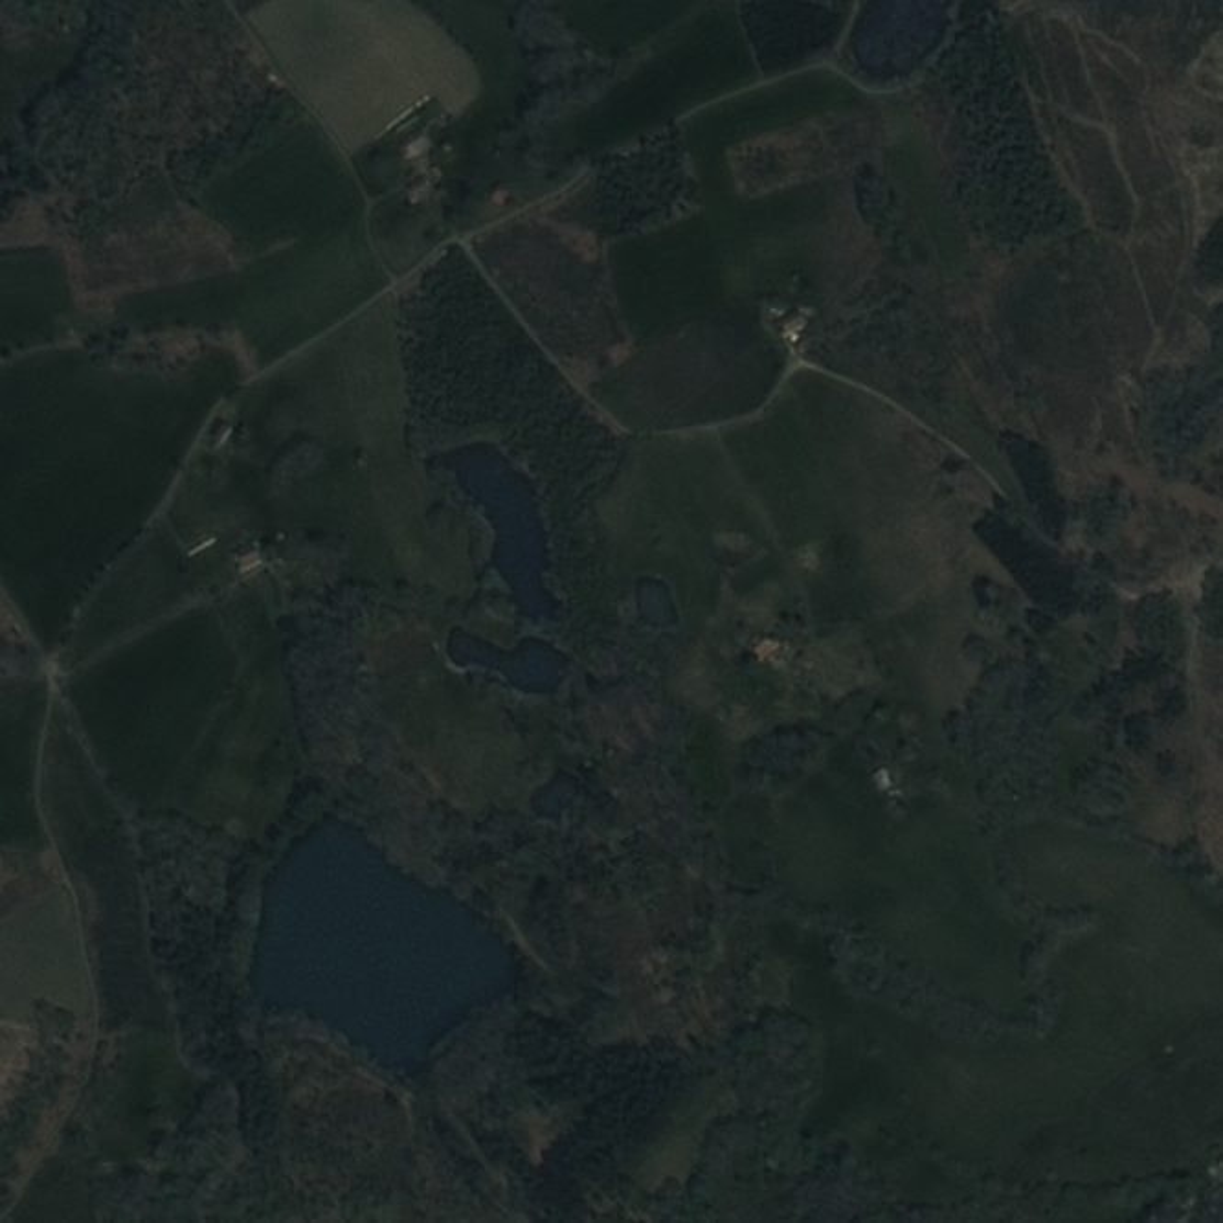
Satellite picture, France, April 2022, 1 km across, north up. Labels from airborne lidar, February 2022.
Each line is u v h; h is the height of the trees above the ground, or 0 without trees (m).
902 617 0
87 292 0
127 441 0
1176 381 18
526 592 0
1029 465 18
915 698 0
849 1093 0
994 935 0
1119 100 0
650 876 8
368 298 0
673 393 0
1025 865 0
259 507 0
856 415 0
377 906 0
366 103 0
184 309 0
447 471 20
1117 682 19
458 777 0
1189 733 0
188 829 20
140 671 0
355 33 0
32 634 0
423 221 0
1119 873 0
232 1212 13
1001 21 12
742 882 19
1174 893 0
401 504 0
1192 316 0
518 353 9
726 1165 19
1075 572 12
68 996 0
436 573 0
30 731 0
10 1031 0
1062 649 0
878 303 0
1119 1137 0
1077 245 0
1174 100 0
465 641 0
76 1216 0
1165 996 0
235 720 0
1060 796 16
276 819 0
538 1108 21
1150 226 0
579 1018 0
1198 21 0
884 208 21
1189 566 0
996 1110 0
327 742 30
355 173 0
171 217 0
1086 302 0
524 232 0
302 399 0
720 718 0
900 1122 0
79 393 0
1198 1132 0
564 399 7
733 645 0
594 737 21
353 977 0
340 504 0
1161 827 0
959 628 0
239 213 0
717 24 0
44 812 0
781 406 0
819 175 0
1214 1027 0
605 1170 30
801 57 10
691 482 0
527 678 0
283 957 0
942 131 0
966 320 0
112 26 26
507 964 0
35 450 0
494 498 0
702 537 0
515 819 7
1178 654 8
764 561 0
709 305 0
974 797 0
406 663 0
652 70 0
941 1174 0
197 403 0
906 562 0
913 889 0
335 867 0
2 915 0
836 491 0
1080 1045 0
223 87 6
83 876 0
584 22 0
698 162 0
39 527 0
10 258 0
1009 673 17
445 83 0
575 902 0
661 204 8
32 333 0
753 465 0
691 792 21
